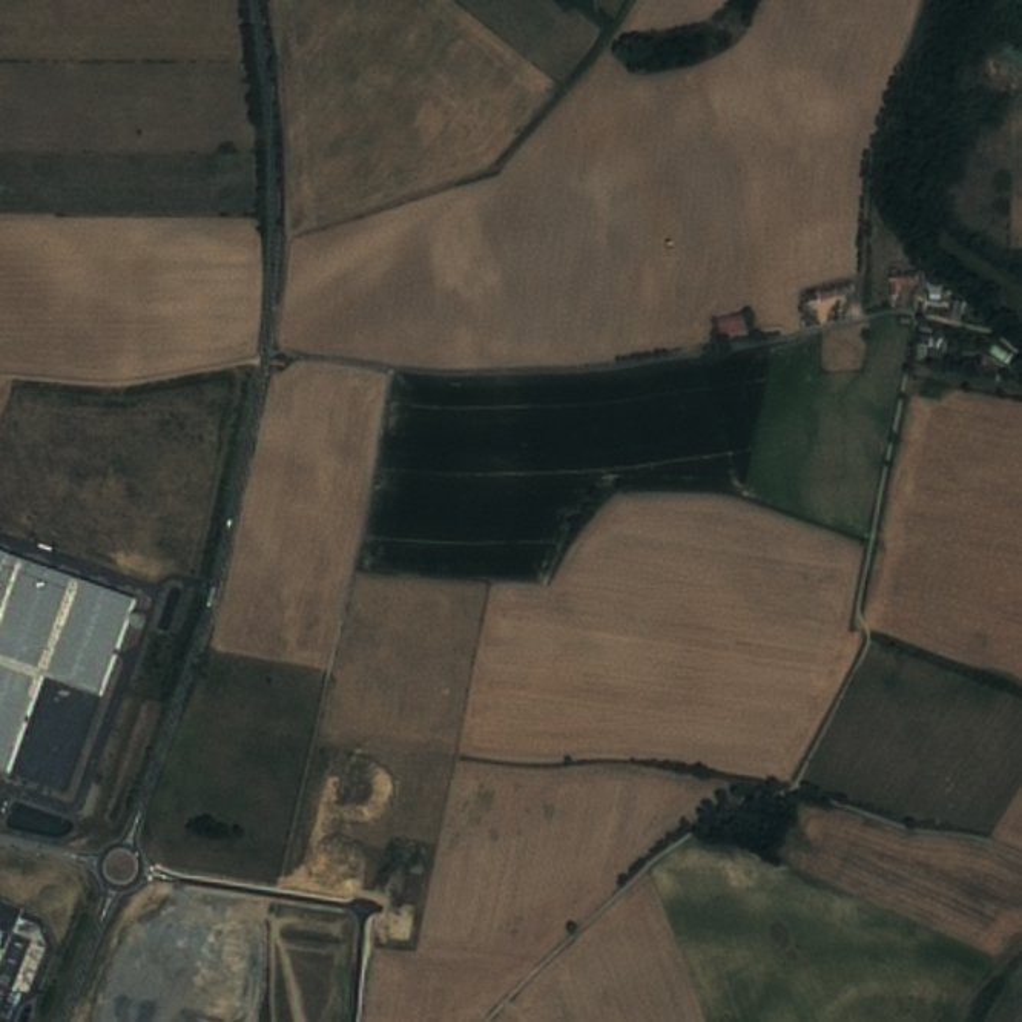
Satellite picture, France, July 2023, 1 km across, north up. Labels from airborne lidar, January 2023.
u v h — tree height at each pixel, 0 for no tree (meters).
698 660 0
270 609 0
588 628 0
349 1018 0
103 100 0
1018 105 0
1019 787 0
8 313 0
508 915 0
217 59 0
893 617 0
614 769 0
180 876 0
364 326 0
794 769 0
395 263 0
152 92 0
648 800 0
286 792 0
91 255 0
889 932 0
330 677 0
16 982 0
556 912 0
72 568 0
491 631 0
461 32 0
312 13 0
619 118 0
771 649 0
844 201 0
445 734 0
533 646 0
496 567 0
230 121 0
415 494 0
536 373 0
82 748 0
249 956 0
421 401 0
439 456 0
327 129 0
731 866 0
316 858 0
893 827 0
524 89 0
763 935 0
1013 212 0
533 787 0
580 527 12
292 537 0
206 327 0
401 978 0
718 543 0
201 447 0
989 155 0
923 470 0
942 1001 0
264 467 0
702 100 0
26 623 0
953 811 0
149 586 0
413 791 0
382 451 0
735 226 0
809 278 0
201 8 0
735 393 0
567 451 0
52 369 0
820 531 0
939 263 13
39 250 0
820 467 0
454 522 0
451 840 0
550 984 0
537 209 0
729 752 0
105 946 0
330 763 0
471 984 0
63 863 0
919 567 0
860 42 0
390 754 0
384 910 0
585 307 0
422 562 0
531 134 0
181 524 0
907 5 0
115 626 0
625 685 0
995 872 0
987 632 0
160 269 0
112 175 0
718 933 0
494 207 0
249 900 0
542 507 0
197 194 0
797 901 0
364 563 0
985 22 7
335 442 0
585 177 0
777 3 0
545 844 0
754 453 0
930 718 0
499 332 0
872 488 0
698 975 0
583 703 0
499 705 0
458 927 0
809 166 0
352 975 0
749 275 0
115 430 0
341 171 0
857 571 0
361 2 0
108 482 0
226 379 0
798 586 0
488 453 0
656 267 0
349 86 0
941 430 0
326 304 0
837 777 0
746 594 0
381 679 0
